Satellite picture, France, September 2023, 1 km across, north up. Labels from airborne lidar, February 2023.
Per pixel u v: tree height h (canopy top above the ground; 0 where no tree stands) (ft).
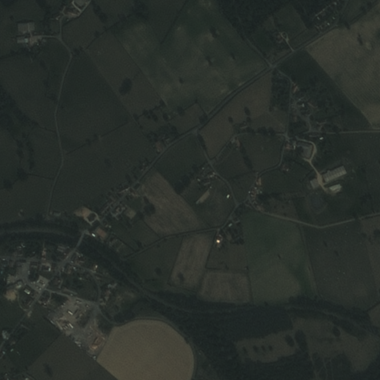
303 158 0
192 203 0
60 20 0
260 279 0
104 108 0
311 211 0
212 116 0
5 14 0
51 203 0
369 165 0
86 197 0
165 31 0
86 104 0
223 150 0
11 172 0
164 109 0
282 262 0
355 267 0
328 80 0
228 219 0
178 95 0
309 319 0
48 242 30
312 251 0
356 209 0
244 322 85
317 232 0
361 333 67
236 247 0
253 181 0
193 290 0
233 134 0
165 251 0
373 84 0
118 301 0
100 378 0
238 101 0
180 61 0
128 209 0
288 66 0
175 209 0
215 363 25
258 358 0
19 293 0
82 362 0
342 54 0
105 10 0
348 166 0
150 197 0
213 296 0
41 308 0
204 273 0
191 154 0
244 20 87
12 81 0
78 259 0
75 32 0
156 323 0
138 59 0
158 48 0
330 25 0
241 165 0
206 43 0
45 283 0
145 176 0
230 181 0
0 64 0
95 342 0
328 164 0
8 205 0
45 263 0
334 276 0
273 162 0
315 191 0
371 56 0
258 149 0
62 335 0
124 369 0
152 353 0
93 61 0
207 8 0
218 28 0
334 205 0
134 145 0
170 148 0
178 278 38
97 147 0
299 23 0
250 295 0
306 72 0
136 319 0
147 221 0
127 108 0
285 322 74
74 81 0
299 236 0
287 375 52
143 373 0
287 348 0
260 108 0
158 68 0
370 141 0
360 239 0
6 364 0
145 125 0
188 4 0
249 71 0
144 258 0
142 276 0
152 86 0
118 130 0
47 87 43
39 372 0
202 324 66
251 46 0
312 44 0
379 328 0
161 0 0
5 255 0
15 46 0
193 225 0
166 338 0
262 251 0
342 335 0
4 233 0
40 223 48
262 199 46
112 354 0
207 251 0
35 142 0
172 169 0
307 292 0
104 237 0
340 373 0
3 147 0
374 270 0
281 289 0
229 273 0
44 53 0
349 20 0
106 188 0
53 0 0
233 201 0
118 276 43
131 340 0
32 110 0
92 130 0
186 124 0
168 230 0
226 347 79
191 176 39
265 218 0
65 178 0
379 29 0
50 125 0
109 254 47
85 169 0
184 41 0
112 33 0
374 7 0
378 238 71
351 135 0
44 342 0
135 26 0
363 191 0
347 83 0
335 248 0
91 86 0
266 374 20
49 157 0
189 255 0
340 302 0
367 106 0
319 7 66
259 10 96
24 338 0
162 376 0
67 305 0
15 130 0
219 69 0
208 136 0
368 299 0
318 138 32
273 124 0
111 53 0
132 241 0
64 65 0
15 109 56
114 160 0
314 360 0
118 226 0
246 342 0
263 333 64
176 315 52
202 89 0
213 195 0
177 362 0
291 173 0
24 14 0
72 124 0
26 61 0
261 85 0
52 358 0
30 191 0
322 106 37
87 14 0
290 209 0
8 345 30
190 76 0
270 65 0
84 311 0
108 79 0
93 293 0
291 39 0
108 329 0
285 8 0
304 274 0
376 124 0
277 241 0
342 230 0
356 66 0
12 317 0
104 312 0
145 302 33
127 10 0
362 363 0
